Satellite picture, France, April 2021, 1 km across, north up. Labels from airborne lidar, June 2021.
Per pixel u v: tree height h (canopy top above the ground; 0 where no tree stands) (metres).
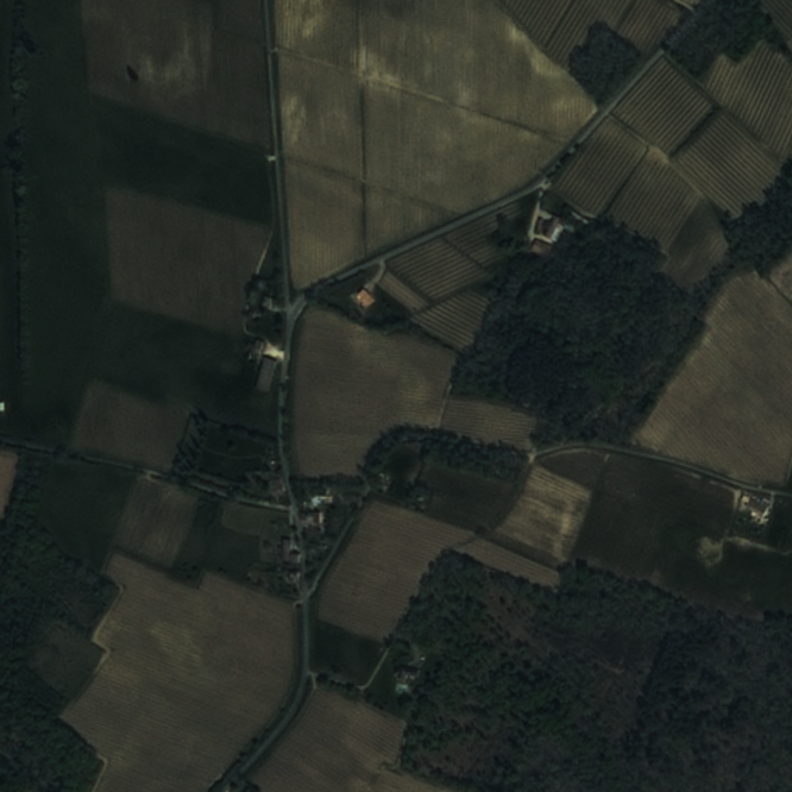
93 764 23
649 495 0
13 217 0
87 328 0
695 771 16
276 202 0
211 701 0
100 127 0
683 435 0
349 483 14
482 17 0
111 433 0
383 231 0
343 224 0
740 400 0
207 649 0
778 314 0
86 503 0
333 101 0
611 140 0
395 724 0
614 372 21
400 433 13
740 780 9
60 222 0
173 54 0
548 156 0
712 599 0
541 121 0
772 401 0
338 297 0
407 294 0
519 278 13
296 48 0
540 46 0
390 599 0
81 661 0
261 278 9
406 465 0
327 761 0
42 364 0
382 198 0
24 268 10
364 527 0
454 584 19
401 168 0
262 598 0
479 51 0
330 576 0
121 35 0
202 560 0
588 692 23
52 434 0
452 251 0
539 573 0
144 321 0
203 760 0
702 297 15
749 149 0
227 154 0
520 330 17
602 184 0
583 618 16
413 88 0
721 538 0
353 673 0
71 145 0
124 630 0
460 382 15
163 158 0
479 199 0
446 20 0
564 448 0
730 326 0
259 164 0
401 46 0
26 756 18
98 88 0
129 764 0
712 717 17
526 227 0
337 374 0
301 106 0
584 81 15
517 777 17
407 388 0
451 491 0
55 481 0
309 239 0
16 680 11
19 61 8
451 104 0
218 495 7
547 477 0
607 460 0
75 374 0
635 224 0
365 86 0
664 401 0
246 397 0
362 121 0
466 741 14
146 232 0
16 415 0
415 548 0
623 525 0
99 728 0
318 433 0
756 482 0
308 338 0
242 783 8
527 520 0
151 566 0
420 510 7
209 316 0
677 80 0
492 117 0
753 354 0
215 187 0
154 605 0
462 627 20
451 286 0
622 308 18
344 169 0
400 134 0
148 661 0
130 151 0
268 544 8
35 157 0
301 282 0
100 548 0
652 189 0
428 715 19
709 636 18
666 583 0
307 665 0
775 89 0
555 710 18
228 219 0
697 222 0
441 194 0
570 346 20
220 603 0
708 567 0
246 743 0
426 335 7
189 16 0
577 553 0
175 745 0
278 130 0
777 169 0
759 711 21
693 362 0
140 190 0
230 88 0
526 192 0
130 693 0
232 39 0
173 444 0
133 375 0
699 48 10
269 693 0
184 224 0
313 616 0
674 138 0
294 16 0
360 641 0
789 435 0
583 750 20
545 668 9
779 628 17
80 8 0
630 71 19
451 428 0
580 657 9
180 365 0
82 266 0
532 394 21
